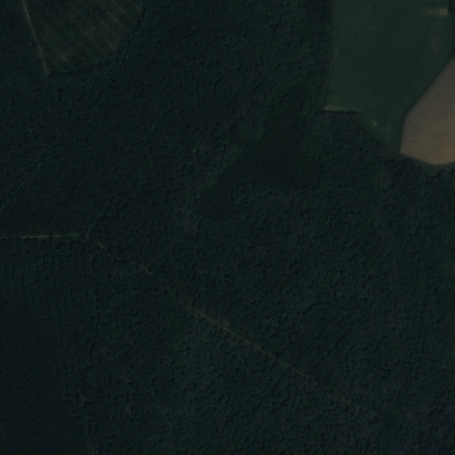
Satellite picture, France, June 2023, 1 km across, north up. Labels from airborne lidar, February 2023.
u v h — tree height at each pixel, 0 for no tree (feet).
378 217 76
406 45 0
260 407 56
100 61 0
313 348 71
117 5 0
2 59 73
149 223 89
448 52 0
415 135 0
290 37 77
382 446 58
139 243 99
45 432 78
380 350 70
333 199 77
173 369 57
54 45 0
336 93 0
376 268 76
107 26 0
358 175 67
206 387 75
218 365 85
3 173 76
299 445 73
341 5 0
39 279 53
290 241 85
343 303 66
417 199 76
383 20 0
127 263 71
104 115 80
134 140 73
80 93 88
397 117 0
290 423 84
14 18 78
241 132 73
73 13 0
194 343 73
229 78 89
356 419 62
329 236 77
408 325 73
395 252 81
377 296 75
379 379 82
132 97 52
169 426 87
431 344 84
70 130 81
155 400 82
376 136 0
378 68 0
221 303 80
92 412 81
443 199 86
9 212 79
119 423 87
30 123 88
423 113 0
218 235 77
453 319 75
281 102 42
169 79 76
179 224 84
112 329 71
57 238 0
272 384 59
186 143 69
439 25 0
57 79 78
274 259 73
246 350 74
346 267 76
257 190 75
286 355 79
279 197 85
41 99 92
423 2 0
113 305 69
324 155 70
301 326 76
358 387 74
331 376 73
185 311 68
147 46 80
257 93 82
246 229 75
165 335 62
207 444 71
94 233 72
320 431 87
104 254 81
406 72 0
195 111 77
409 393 71
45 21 0
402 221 103
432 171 0
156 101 78
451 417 68
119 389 89
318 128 81
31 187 76
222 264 62
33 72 75
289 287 65
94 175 70
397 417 57
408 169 92
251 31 73
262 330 74
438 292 75
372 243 75
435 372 69
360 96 0
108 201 74
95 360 75
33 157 81
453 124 0
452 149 0
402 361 80
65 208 82
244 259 58
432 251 74
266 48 83
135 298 58
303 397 76
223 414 82
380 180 81
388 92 0
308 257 81
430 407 64
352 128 68
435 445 71
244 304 73
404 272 62
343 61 0
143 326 62
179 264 71
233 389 77
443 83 0
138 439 87
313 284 68
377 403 72
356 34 0
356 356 75
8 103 73
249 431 79
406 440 70
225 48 74
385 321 74
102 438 82
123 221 92
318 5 72
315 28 77
